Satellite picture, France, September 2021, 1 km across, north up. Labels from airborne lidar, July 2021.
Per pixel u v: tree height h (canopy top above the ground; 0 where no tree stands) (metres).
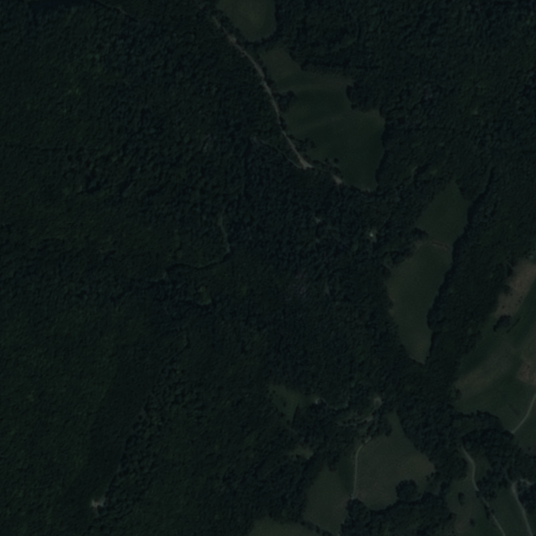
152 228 16
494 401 0
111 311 25
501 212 26
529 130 27
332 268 21
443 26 32
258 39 0
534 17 24
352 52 14
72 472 24
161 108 19
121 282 28
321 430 9
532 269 0
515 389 0
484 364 0
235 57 32
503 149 27
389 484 0
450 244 0
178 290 23
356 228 25
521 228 24
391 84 27
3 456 25
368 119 0
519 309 0
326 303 19
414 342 0
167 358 14
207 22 21
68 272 28
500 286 26
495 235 24
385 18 27
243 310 27
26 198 21
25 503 28
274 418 24
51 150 21
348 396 11
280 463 24
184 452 21
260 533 0
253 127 28
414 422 24
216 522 21
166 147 28
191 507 24
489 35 19
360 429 15
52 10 22
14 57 23
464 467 17
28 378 25
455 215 0
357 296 21
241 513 22
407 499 20
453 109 25
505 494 0
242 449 27
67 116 26
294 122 0
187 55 29
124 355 15
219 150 19
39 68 25
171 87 23
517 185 24
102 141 29
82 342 28
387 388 30
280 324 22
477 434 13
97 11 29
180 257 20
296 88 0
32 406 28
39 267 26
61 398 32
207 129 16
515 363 0
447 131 29
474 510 0
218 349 20
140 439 23
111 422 16
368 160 0
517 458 27
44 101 23
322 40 11
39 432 25
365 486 0
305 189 21
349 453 15
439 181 24
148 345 13
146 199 29
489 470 0
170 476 22
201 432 23
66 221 27
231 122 17
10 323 22
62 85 23
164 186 8
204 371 22
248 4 0
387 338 28
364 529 22
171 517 25
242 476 23
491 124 25
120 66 22
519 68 23
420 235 22
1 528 24
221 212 19
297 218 26
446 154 30
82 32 24
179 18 27
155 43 30
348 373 13
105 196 26
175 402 12
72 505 13
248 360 29
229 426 27
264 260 17
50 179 29
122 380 15
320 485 0
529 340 0
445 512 23
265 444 24
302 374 28
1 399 28
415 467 0
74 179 31
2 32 26
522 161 25
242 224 16
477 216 23
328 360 12
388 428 16
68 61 24
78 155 19
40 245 31
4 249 28
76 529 14
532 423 0
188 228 22
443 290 12
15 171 18
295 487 16
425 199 18
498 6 26
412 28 27
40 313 22
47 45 19
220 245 16
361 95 21
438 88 14
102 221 23
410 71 26
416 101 32
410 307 0
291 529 0
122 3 22
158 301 16
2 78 25
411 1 31
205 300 32
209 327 19
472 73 22
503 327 13
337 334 22
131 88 24
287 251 29
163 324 13
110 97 27
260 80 25
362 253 21
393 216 22
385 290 17
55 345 26
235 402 24
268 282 15
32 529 20
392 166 20
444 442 26
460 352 18
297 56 23
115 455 11
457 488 0
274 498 26
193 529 20
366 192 0
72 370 24
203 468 27
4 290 23
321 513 0
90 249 34
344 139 0
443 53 27
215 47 30
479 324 32
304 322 15
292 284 20
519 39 25
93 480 13
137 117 31
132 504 18
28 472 25
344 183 0
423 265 0
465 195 16
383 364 31
